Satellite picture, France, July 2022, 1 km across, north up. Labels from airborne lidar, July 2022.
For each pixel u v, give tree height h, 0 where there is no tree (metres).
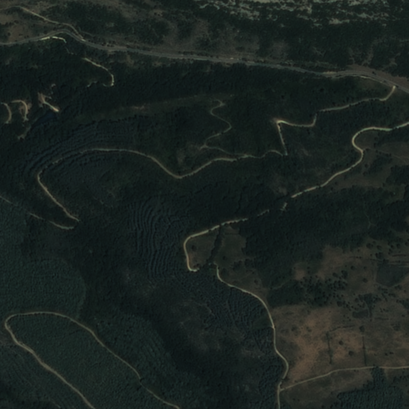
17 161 8
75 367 6
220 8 6
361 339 0
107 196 13
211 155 7
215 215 15
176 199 7
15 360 9
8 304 10
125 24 6
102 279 13
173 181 6
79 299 12
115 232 10
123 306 18
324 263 0
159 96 22
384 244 0
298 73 9
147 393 13
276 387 9
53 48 13
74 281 12
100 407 9
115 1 0
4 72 14
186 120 6
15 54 6
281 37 8
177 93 18
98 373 6
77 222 8
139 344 16
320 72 10
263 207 14
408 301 7
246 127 9
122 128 16
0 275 11
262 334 12
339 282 12
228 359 6
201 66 9
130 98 18
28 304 10
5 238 13
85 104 10
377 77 0
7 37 7
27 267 8
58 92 12
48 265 10
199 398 11
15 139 10
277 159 13
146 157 9
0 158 20
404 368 6
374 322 0
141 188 12
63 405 6
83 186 10
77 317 11
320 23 8
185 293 10
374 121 7
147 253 14
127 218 8
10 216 14
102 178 11
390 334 0
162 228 17
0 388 19
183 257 6
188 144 0
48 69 7
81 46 11
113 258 11
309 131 15
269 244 12
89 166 17
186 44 0
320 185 7
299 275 0
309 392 0
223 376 10
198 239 0
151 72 7
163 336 16
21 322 8
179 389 18
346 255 0
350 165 6
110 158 11
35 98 13
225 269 9
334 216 9
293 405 0
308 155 0
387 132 8
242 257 0
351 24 7
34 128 11
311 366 0
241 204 17
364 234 9
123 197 7
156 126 19
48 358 7
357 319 0
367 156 0
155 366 18
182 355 15
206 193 14
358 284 0
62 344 9
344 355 0
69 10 9
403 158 0
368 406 12
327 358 0
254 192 11
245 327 10
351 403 13
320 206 7
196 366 16
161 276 13
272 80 13
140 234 8
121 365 11
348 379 0
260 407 7
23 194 19
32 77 18
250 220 11
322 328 0
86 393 8
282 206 17
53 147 13
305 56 8
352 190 9
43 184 8
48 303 10
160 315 7
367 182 0
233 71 15
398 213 11
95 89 14
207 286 13
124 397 11
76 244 11
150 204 14
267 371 11
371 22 7
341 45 6
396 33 6
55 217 15
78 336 13
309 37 6
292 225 10
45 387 8
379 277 0
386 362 0
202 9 6
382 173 0
